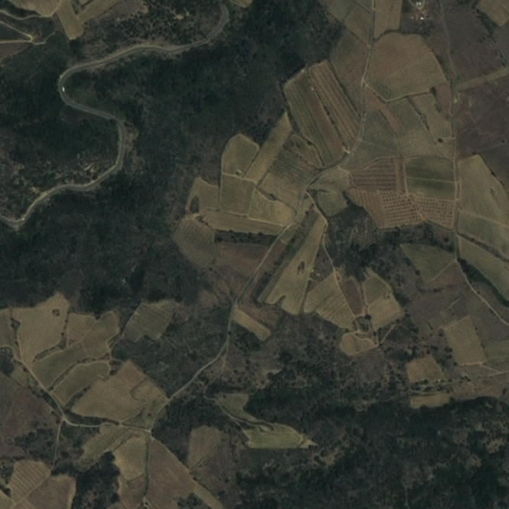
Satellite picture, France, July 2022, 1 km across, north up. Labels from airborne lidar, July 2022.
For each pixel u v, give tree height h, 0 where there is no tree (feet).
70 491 0
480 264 0
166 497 0
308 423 37
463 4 27
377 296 0
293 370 20
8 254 21
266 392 26
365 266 21
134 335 0
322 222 0
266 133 26
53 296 0
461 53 0
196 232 0
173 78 23
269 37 19
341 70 0
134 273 17
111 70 21
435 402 0
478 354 0
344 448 29
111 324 0
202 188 0
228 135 0
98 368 0
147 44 0
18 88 24
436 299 0
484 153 0
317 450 33
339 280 0
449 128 0
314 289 0
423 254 0
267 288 0
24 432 0
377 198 0
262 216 0
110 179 25
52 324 0
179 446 0
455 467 21
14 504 0
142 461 0
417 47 0
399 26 0
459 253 0
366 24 0
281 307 0
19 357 0
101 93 19
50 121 31
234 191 0
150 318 0
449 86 0
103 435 0
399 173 0
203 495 0
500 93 0
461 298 0
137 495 0
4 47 0
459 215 0
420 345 0
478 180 0
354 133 0
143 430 0
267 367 0
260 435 0
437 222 0
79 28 0
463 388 0
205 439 0
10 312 0
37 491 0
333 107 0
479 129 0
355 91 0
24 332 0
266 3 21
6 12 0
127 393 0
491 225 0
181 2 30
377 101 0
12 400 0
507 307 20
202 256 0
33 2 0
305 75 0
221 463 0
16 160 19
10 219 0
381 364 0
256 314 0
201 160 0
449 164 0
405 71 0
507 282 0
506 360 0
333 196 0
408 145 0
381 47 0
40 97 22
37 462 0
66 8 0
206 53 28
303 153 0
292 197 0
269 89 0
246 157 0
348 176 0
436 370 0
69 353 0
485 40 0
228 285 0
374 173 0
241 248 0
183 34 21
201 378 21
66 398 0
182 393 0
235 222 0
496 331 0
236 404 0
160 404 0
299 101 0
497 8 0
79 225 17
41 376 0
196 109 22
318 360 19
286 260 0
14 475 0
